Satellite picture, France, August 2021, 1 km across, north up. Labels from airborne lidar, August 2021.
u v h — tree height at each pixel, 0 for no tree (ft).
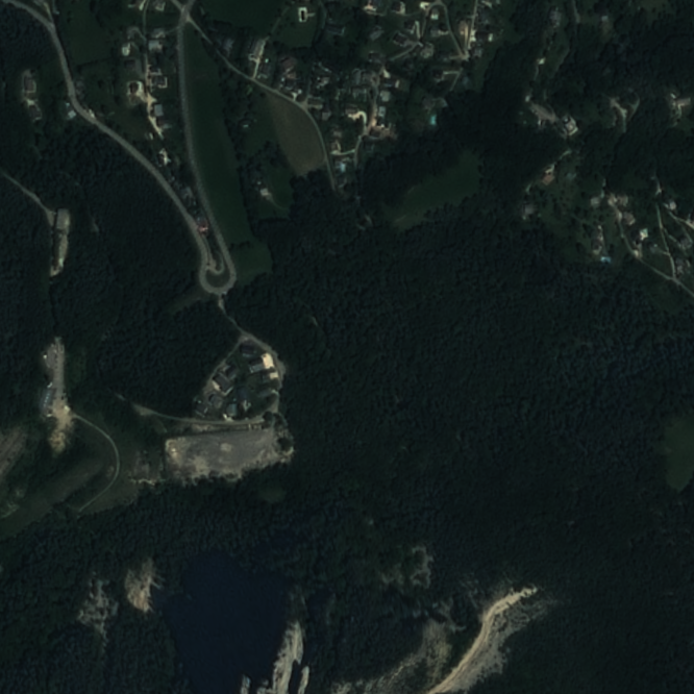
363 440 43
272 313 76
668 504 63
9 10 80
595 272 34
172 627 29
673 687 72
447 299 37
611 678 66
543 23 46
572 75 73
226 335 66
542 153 77
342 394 50
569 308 52
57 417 0
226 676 44
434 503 71
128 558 23
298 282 77
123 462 0
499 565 39
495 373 50
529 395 37
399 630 27
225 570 30
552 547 46
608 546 45
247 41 18
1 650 98
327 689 28
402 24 0
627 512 46
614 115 46
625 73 51
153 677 51
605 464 79
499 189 55
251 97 62
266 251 0
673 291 23
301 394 27
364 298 96
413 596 20
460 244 54
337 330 83
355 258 68
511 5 0
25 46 79
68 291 63
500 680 35
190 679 63
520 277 68
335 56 36
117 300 77
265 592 65
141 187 68
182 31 0
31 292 68
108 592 34
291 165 22
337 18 46
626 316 71
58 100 22
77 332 69
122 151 49
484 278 62
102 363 76
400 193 53
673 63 93
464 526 49
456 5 41
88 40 0
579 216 47
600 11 59
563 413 59
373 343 46
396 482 54
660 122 47
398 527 46
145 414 0
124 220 74
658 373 69
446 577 37
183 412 46
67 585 82
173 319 53
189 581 53
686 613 56
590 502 65
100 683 30
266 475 29
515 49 38
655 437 54
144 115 26
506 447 81
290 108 0
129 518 74
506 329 57
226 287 0
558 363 43
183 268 60
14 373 65
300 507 59
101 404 37
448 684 0
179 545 49
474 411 38
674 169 66
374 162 48
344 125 24
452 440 49
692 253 0
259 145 0
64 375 0
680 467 0
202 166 0
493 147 71
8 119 75
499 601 0
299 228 74
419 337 55
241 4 0
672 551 47
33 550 33
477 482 35
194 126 0
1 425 36
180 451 0
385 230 63
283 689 0
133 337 48
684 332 83
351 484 81
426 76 41
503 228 32
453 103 75
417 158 70
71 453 30
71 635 42
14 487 22
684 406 72
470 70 35
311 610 42
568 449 72
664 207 20
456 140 35
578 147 27
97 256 76
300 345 77
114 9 30
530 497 56
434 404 64
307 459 31
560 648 40
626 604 46
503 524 61
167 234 76
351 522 45
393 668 31
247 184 58
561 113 22
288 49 39
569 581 21
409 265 80
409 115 24
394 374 70
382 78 20
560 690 22
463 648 35
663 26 37
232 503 37
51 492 0
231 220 0
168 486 23
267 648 26
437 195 0
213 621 71
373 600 26
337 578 63
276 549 61
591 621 40
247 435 0
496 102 82
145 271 62
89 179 58
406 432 59
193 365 45
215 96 0
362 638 63
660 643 58
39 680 41
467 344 54
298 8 0
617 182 66
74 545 80
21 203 75
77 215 34
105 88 60
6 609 38
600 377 32
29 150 87
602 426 52
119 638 46
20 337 60
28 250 33
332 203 88
